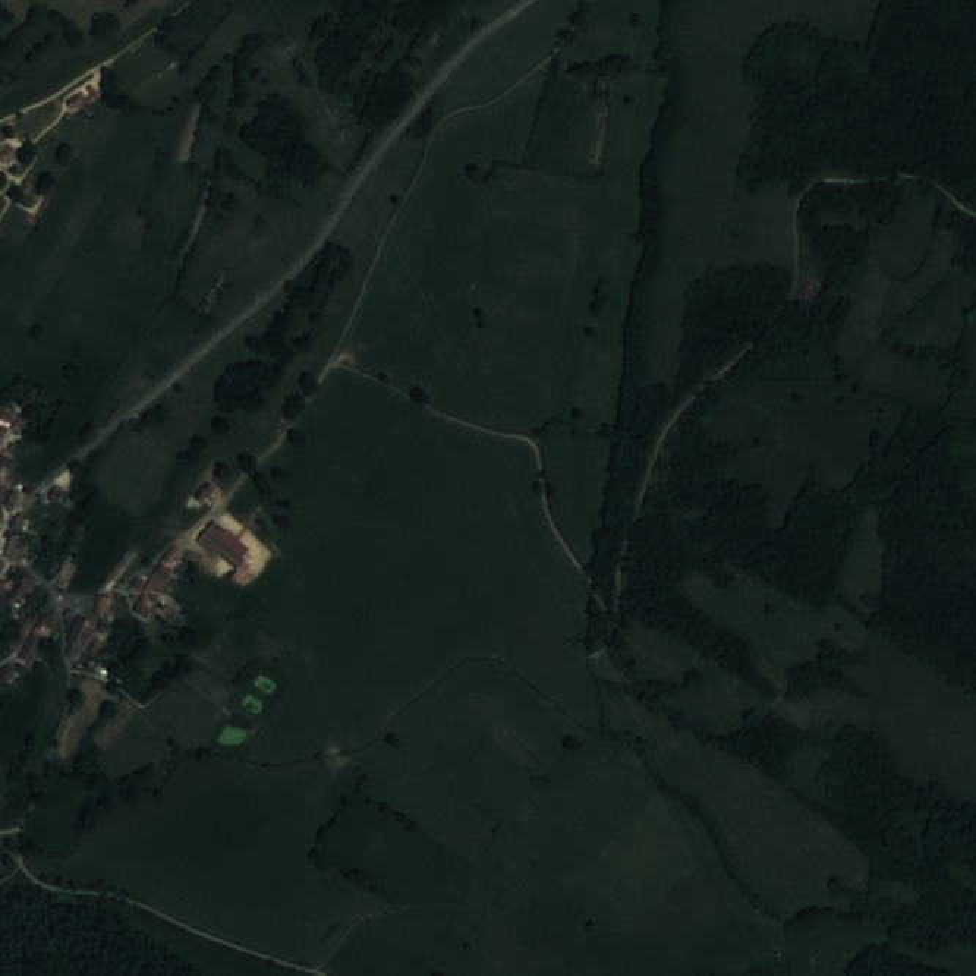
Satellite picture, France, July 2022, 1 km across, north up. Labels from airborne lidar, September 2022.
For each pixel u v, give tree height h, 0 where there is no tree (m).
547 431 6
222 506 0
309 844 0
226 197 15
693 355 8
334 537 0
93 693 0
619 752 0
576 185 0
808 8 0
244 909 0
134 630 5
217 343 0
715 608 0
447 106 0
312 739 0
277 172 13
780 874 0
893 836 15
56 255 0
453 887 0
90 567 0
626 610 11
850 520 7
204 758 18
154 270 0
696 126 0
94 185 0
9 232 0
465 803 0
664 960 0
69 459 0
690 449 14
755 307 5
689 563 15
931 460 9
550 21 0
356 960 0
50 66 0
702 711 0
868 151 13
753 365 14
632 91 0
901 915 8
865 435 0
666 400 10
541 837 0
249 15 0
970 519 14
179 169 0
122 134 0
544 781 7
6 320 0
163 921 8
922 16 10
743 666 6
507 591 0
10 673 0
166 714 0
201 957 0
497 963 0
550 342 0
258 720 0
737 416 0
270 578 0
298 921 0
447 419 0
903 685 0
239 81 14
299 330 0
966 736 0
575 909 0
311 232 0
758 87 10
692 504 6
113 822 0
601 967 0
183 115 0
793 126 7
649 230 12
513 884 0
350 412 0
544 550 0
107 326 0
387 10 12
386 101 18
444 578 0
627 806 0
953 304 0
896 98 6
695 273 0
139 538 0
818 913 13
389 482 0
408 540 0
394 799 0
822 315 14
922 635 16
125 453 0
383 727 0
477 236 0
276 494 15
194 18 0
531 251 0
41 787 21
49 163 0
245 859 0
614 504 13
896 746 0
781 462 0
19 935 19
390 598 0
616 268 0
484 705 0
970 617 10
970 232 7
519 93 0
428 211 0
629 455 11
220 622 0
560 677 0
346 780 0
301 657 0
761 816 0
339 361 0
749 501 13
